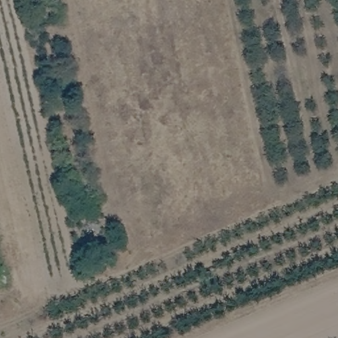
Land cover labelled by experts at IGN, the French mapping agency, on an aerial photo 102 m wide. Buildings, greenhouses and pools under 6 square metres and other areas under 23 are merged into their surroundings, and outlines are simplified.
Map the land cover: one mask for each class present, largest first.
<instances>
[{"label":"agricultural land","instance_id":"1","mask_svg":"<svg viewBox=\"0 0 338 338\"><path fill-rule=\"evenodd\" d=\"M36 152L30 149L12 58L0 13V36L53 269V276H49L46 267L40 228L22 160L15 115L11 108L0 57V235L3 236L1 255L4 257V263L11 268L12 285L20 290L22 297L44 308L51 297L71 296L84 287L81 280L75 279L70 271L71 251L73 242L69 227L66 226L65 207L59 205L50 184V176L54 170L46 144L48 120L42 118L40 94L33 81L36 49L30 48L26 42L24 26L17 15L15 20L18 38L40 128L41 141L37 143L36 128L22 77L7 0H1ZM67 5V18L58 36L69 38L71 51L78 63L77 81L82 84V104L90 116V131L94 133L95 140L92 162L100 168L99 184L107 195V201L102 206L103 213L107 217L114 215L123 223L127 232V247L131 251L137 248L141 259H147L149 263L164 261L166 269H172L174 257L184 251L186 247L193 248L195 242H187L184 231L193 228L210 232L215 230L219 217L224 218V210L234 207L235 202L230 198L232 190L235 187L259 185L260 181L267 180L264 164L268 161L251 92L250 67L243 58V29L235 0H63ZM169 338H338V267L326 269L308 280L285 287L271 297L248 302L247 305L231 310L220 318H213L201 325L190 327L185 334L176 331L170 334Z\"/></svg>","mask_w":338,"mask_h":338},{"label":"deciduous trees","instance_id":"2","mask_svg":"<svg viewBox=\"0 0 338 338\"><path fill-rule=\"evenodd\" d=\"M17 15L24 26L26 42L30 48L36 49L33 81L40 94L42 118L48 120L46 144L54 170L50 176V184L59 205L65 207L66 226L69 227H82L83 219L95 222L103 213L102 206L107 201V195L99 184L100 168L92 162L95 140L94 133L90 131V116L82 104V84L77 81L78 63L71 51L69 38L58 36L67 18V5L63 0H13ZM55 110H65L66 119L74 129L73 143L77 149L74 160L70 158L66 136L62 133L61 119L55 115ZM251 0H235L243 29V58L250 67L251 92L268 161L269 164H273L292 156L296 173L306 174L309 173V164L306 161V154L312 149L314 164L318 169L329 168L333 160L327 151L329 140L325 129L321 127L320 119L310 120L312 143L306 145L300 106L294 99L292 84L288 78L276 82V90L265 81V62L271 58L273 61L285 59L287 55L281 42L279 24L273 18H268L263 25L255 26L253 11L250 9ZM281 13L285 16V26L289 33L302 28L297 0H281ZM321 81L326 87L325 100L329 104L327 119L330 121L334 140L337 141L338 151V91L334 87L333 75H321ZM338 198V182L321 187L317 193L305 194L289 205L275 207L268 215H259L255 220H244L236 224L232 230L220 231L214 238L207 236L195 242L193 248L186 247L184 251L186 259L191 260L203 252L215 251L218 243L224 246L231 239L240 238L247 232L260 230L269 223H279L281 219L290 217L296 211H305L310 207L320 206L327 199ZM338 219V205H334L333 213L314 214L308 222L294 224L285 228L284 232L259 236V242L255 244L247 243L232 248L234 255L230 256L228 252H223L222 257L213 260L209 267L197 263L194 268L187 267L182 275L165 277L157 287L149 285V289H143L139 294H129L114 304L102 305L100 310L91 308L90 314L75 317L74 321L66 320L65 327L50 325L41 337L28 335V338H61L63 334L73 333L75 329H84L88 323H96L111 314L120 313L128 306L135 308L149 297L169 292L172 288L184 287L186 284L198 283L201 285L199 290L202 296L207 297L211 293L222 292L223 287H231L234 281L244 283L246 276H253L251 285L259 283V272L255 263L248 265L247 268H238L236 272L224 273L223 276H214L210 272L211 269L231 267L234 261L242 260L244 256H255L260 251L271 250L275 243L293 240L297 234L305 235L308 231H317L318 224H329ZM100 236L106 238V243L88 242L77 252L71 251L70 271L75 279L81 280L94 279L98 273L115 267L118 252L124 251L127 247V232L123 223L114 215L107 217L106 226L100 228L99 232ZM294 250L289 248L277 253L275 259L261 260L264 271L283 264L285 260L294 259ZM338 267V253L331 252L327 261H316L310 267L296 268L290 275L284 273L283 277L277 276L272 283L261 285L251 292L243 289L242 293H235L228 301H215L214 304L178 314L172 318L168 326L153 325L152 329L141 331L140 337L131 335L129 338H169L170 334L176 331L185 334L190 327L201 325L213 318H220L231 310L247 305L248 302L271 297L285 287L308 280L326 269ZM166 269L164 261L149 263L141 265L136 271L128 272L127 276L118 279L111 277L104 283L98 281L84 287L71 296L51 297L44 308L38 314L40 320L58 318L63 313L83 308L87 301L95 302L99 296H108L125 287H133L137 280L147 279L148 276L157 275ZM197 301L194 290H189L182 296L161 302L156 308L144 310L140 313L141 320L148 322L149 313L153 312L154 317H162V314L178 306ZM123 323L116 322L104 327L103 333L87 335L86 338H110L114 334L123 333Z\"/></svg>","mask_w":338,"mask_h":338},{"label":"herbaceous vegetation","instance_id":"3","mask_svg":"<svg viewBox=\"0 0 338 338\"><path fill-rule=\"evenodd\" d=\"M302 28L289 33L285 26V16L281 13V0H251L250 9L253 11L255 26L263 25L268 18H273L279 24L281 42L287 55L285 59L273 61L271 58L265 62V81L276 90V82L288 78L292 84L294 99L300 106L306 145L312 143L310 120L320 119L321 127L325 129L329 140L327 151L333 160L329 168L318 169L314 164L312 149L306 154V161L309 164V173L306 174L296 173L292 156L273 164H269L268 161L264 164L267 180L260 181L259 185L235 187L232 190L230 198L235 202L234 207L224 210V218L219 217L215 230L210 232L193 228L184 231L187 242H195L207 236L214 238L220 231L232 230L236 224L244 220H255L259 215H268L275 207L289 205L305 194L317 193L321 187L338 182V151L337 141L334 140L330 121L327 119L329 104L325 100L326 87L321 81V75H333L334 87L338 91V0H297ZM55 115L61 119L62 133L66 136L70 158L74 160L77 149L73 143L74 129L66 119L65 110H55ZM334 205H338V198L327 199L320 206L310 207L305 211H296L290 217L281 219L279 223H269L260 230L247 232L240 238L231 239L224 246L218 243L215 251L203 252L191 260L186 259L184 251L174 257L172 269H166L157 275L148 276L147 279L137 280L133 287H125L108 296H99L95 302L87 301L83 308L63 313L58 318L40 320L38 314L44 308L22 297L20 290L12 285L9 289H0V338H28V335L41 337L50 325L65 327L66 320L74 321L75 317L90 314L91 308L100 310L102 305L114 304L129 294H139L143 289H149V285L157 287L165 277L182 275L187 267L194 268L197 263L209 267L213 260L222 257L223 252H228L230 256L234 255L232 248L247 243L255 244L259 242V236L284 232L285 228L294 224L308 222L314 214L333 213ZM107 217L103 213L95 222L83 219L82 227H69L73 242L71 251L77 252L88 242L106 243V238L100 236L99 232L100 228L106 226ZM289 248L294 250V259L285 260L283 264L264 271L261 260L275 259L277 253ZM331 252L338 253V219L329 224H318L317 231H308L305 235L297 234L293 240L275 243L271 250L260 251L255 256H244L242 260L234 261L231 267L211 269L210 272L214 276H223L224 273L236 272L238 268H247L248 265L255 263L259 272V283L251 285L253 276H246L244 283L234 281L231 287H223L222 292L211 293L207 297L202 296L199 290L201 285L198 283L186 284L184 287L172 288L169 292L149 297L135 308L128 306L120 313L111 314L96 323H88L84 329H75L73 333L63 334L61 338H86L87 335L103 333L104 327L116 322L123 323V333L114 334L110 338H129L131 335L140 337L141 331L152 329L153 325L168 326L172 318L178 314L214 304L215 301H228L235 293H242L243 289L251 292L261 285L272 283L277 276L283 277L284 273L290 275L296 268L310 267L316 261H327ZM189 290H194L197 301L178 306L162 314V317H154L153 312L149 313L148 322L141 320L140 313L144 310L156 308L161 302L182 296ZM149 263L147 259H141L137 248L131 251L127 247L124 251L118 252L115 267L98 273L94 279L81 280L84 287L98 281L104 283L111 277L118 279L127 276L128 272L136 271L141 265Z\"/></svg>","mask_w":338,"mask_h":338},{"label":"brushwood","instance_id":"4","mask_svg":"<svg viewBox=\"0 0 338 338\"><path fill-rule=\"evenodd\" d=\"M0 13L12 58L30 149L36 152L1 0H0ZM22 77L36 128L37 143L41 141L40 128L18 38L15 20L17 15L13 0H7ZM0 57L11 108L15 115L22 160L40 228L46 267L49 276H53V269L0 36ZM3 236L0 235V289H9L12 285L11 268L4 263V257L1 255Z\"/></svg>","mask_w":338,"mask_h":338}]
</instances>
